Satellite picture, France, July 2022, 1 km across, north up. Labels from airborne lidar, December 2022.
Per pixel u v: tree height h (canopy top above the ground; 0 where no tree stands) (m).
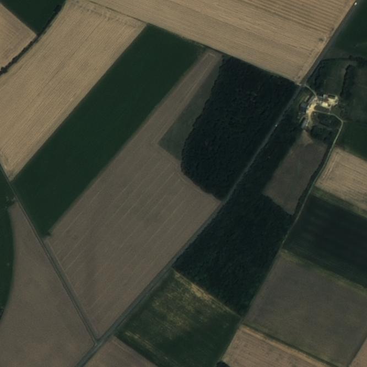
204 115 16
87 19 0
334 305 0
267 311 0
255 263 18
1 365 0
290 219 15
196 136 20
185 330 0
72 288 0
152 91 0
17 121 0
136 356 0
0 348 0
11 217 0
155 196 0
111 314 0
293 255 0
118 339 0
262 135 17
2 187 0
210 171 24
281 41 0
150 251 0
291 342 0
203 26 0
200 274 18
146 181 0
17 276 0
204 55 0
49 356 0
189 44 0
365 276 0
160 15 0
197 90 0
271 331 0
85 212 0
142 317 0
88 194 0
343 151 0
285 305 0
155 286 0
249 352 0
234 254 15
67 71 0
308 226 0
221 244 17
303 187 0
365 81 0
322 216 0
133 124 0
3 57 0
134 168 0
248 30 0
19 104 0
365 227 0
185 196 0
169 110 0
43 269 0
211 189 18
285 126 18
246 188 19
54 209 0
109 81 0
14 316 0
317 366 0
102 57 0
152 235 0
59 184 0
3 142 0
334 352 0
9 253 0
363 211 0
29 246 0
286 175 0
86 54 0
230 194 0
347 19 0
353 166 0
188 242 0
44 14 0
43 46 0
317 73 9
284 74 0
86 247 0
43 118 0
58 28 0
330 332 0
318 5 0
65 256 0
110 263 0
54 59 0
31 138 0
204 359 0
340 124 0
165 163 0
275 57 0
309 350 0
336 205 0
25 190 0
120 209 0
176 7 0
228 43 0
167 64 0
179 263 17
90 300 0
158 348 0
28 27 0
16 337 0
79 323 0
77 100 0
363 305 0
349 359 0
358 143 0
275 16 0
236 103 22
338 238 0
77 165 0
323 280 0
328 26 0
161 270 0
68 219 0
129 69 0
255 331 0
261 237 19
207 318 0
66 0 0
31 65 0
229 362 0
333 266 0
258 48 0
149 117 0
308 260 0
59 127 0
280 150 15
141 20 0
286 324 0
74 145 0
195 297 0
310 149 0
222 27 0
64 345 0
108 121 0
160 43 0
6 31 0
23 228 0
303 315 0
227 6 0
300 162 0
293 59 0
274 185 0
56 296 0
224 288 11
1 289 0
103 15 0
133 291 0
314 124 0
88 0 0
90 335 0
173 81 0
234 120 22
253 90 14
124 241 0
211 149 20
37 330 0
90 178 0
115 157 0
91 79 0
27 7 0
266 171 16
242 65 15
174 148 0
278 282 0
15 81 0
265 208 18
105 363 0
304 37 0
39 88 0
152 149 0
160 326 0
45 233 0
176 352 0
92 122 0
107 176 0
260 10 0
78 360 0
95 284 0
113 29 0
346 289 0
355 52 0
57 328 0
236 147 20
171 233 0
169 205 0
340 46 0
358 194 0
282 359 0
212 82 0
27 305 0
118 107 0
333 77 0
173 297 0
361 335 0
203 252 18
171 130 0
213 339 0
